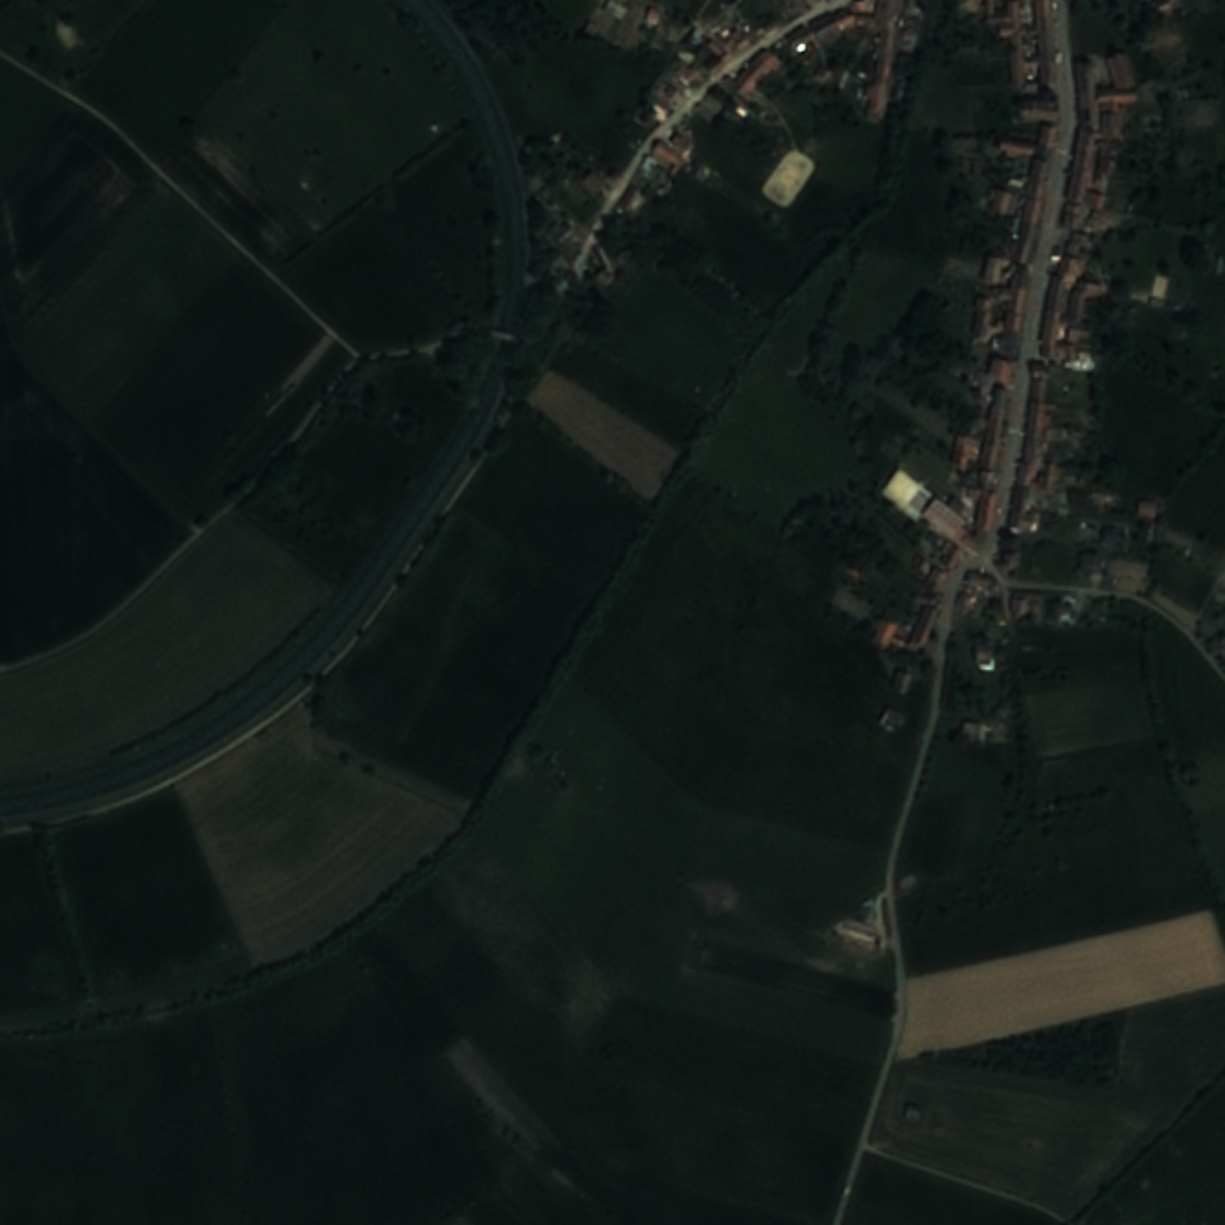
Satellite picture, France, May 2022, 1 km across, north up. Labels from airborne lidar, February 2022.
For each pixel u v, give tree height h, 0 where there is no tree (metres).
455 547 0
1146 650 10
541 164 7
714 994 0
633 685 0
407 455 0
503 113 0
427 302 0
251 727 0
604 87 0
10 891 0
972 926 0
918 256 0
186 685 0
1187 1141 0
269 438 0
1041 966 0
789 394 0
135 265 0
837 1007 0
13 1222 0
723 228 0
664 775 0
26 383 0
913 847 0
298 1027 0
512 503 0
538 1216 0
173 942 0
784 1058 0
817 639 0
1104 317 14
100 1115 0
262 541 0
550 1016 0
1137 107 0
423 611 0
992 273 0
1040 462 0
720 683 0
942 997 0
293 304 0
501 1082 0
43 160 0
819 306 0
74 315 0
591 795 0
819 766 0
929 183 0
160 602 0
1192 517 0
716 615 0
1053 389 0
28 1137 0
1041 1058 9
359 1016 0
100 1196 0
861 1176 0
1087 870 0
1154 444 0
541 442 0
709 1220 0
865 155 0
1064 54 0
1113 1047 7
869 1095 0
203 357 0
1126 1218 0
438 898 0
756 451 0
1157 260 0
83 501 0
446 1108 0
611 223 14
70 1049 0
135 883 0
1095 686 0
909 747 0
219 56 0
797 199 0
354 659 0
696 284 6
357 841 0
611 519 0
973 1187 0
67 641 0
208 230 0
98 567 0
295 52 0
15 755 0
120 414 0
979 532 0
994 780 0
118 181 0
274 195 0
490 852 0
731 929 0
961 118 0
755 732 0
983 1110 0
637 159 0
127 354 0
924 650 8
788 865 0
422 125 0
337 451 0
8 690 0
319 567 0
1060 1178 0
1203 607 0
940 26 7
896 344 12
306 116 0
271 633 0
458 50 0
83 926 0
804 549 0
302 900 0
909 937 0
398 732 0
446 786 0
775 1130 0
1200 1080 0
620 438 0
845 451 0
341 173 0
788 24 0
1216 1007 0
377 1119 0
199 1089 0
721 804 0
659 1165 0
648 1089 0
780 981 0
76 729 0
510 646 0
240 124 0
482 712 0
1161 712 10
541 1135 0
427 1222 0
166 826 0
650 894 0
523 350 14
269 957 0
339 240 0
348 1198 0
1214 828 0
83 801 0
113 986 0
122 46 0
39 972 0
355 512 0
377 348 0
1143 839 0
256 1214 0
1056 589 0
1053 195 0
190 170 0
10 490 0
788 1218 0
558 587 0
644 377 0
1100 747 0
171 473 0
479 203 0
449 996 0
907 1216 0
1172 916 0
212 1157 0
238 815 0
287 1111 0
